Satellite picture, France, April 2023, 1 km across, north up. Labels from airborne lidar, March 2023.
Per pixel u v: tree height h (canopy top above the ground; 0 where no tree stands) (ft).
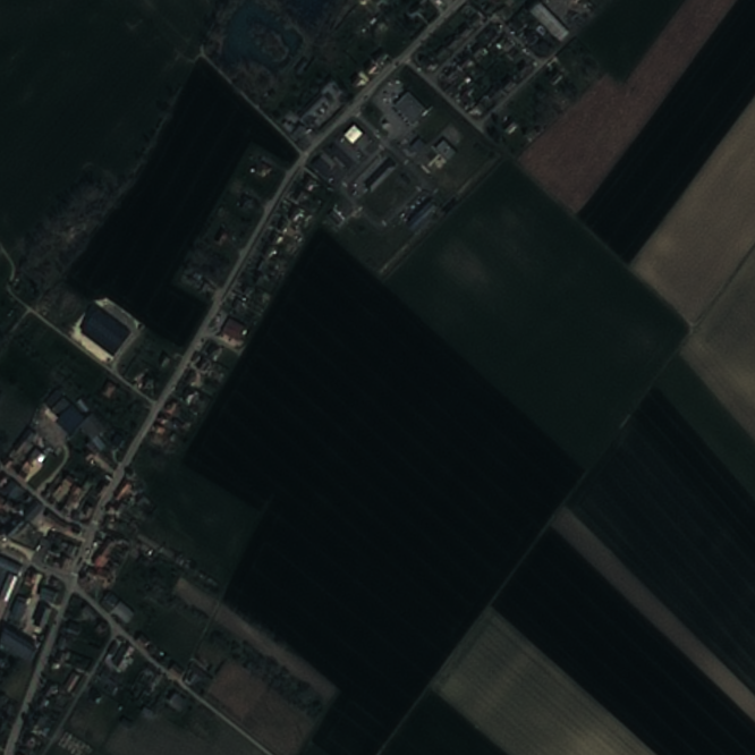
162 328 0
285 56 20
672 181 0
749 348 0
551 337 0
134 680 0
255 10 0
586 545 0
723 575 0
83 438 0
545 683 0
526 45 0
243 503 0
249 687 0
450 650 0
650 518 0
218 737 0
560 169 0
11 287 34
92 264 0
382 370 0
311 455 0
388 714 0
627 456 0
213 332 0
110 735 0
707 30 0
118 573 0
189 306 0
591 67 52
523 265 0
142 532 0
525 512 0
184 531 0
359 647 0
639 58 0
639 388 0
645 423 0
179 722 0
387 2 0
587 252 0
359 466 0
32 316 0
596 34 0
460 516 0
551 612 0
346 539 0
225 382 0
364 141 0
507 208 0
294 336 0
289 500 0
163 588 19
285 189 0
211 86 0
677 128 0
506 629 0
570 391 0
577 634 0
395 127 0
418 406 0
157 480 0
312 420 0
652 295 0
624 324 0
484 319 0
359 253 0
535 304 0
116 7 0
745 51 0
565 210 0
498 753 0
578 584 0
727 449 0
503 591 0
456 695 0
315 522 0
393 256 0
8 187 0
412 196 0
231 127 0
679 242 0
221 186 0
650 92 0
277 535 0
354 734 0
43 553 0
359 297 0
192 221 0
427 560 0
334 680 0
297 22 93
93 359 0
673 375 0
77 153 0
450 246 0
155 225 0
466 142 0
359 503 0
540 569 0
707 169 0
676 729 0
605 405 0
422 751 0
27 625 0
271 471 0
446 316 0
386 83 0
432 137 0
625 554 0
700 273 0
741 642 0
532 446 0
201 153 0
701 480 0
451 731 0
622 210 0
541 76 0
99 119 0
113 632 0
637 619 0
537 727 0
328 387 0
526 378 0
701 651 0
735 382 0
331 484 0
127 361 0
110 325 0
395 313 0
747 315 0
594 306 0
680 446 0
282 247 18
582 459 0
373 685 0
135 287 0
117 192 45
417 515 0
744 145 0
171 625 0
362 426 0
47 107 0
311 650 0
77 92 0
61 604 0
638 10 0
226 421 0
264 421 0
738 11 0
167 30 0
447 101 0
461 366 0
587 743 0
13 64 0
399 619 0
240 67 79
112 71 0
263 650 0
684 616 0
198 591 0
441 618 0
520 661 0
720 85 0
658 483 0
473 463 0
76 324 0
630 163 0
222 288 0
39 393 0
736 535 0
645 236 0
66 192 0
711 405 0
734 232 0
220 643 41
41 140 0
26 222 0
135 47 0
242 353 0
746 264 0
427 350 0
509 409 0
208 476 0
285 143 0
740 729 0
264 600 0
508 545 0
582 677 0
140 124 0
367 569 0
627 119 0
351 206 0
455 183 0
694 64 0
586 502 0
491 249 0
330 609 0
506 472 0
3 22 0
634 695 0
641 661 0
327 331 0
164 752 0
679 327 0
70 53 0
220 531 0
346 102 31
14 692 0
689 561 0
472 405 0
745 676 0
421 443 0
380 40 36
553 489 0
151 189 0
